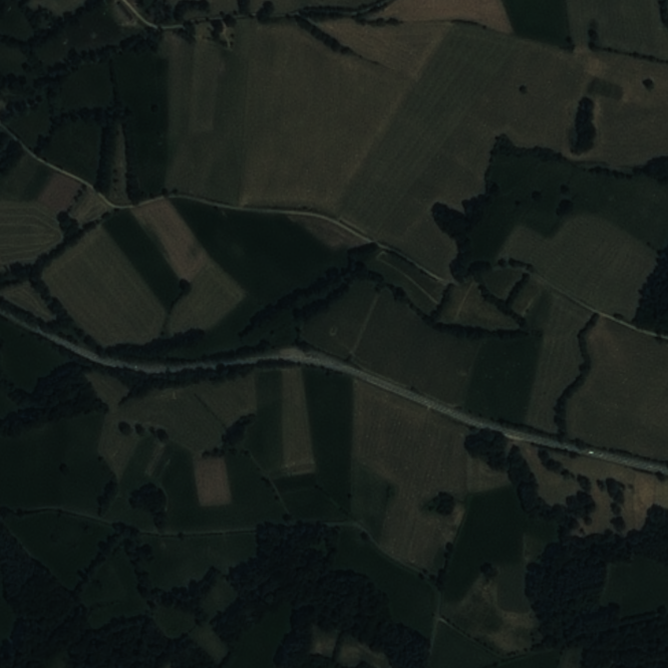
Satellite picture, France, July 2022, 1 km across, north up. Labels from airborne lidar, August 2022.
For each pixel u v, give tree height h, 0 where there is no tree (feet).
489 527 0
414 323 0
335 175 0
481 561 0
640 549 60
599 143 0
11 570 76
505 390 0
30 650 82
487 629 0
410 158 0
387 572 0
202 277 0
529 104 0
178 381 47
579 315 0
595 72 0
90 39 0
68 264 0
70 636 73
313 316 37
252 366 22
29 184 0
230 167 0
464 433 0
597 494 0
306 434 0
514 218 0
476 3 0
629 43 0
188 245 0
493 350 0
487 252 0
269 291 0
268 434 0
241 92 0
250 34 0
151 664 55
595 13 0
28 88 63
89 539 0
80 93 0
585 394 0
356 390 0
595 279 0
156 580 0
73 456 0
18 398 71
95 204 0
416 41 0
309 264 0
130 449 0
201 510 0
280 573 99
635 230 0
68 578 0
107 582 0
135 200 65
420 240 0
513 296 34
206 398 0
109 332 0
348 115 0
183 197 0
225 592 0
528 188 0
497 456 41
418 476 0
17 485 0
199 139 0
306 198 0
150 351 59
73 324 31
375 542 0
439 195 0
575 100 0
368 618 68
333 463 0
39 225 0
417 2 0
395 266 0
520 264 24
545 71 0
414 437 0
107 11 0
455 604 0
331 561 25
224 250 0
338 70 0
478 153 0
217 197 0
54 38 57
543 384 0
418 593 0
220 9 0
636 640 64
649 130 0
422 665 88
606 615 73
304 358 0
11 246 0
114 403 0
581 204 0
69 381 71
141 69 0
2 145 41
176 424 0
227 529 0
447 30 0
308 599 57
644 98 0
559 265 0
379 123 0
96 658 96
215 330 0
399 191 0
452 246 0
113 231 0
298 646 72
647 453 0
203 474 0
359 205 0
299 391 0
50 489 0
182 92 0
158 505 61
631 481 0
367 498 0
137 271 0
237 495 0
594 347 0
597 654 62
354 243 0
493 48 0
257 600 80
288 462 0
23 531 0
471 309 0
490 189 35
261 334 0
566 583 82
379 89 0
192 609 48
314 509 0
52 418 60
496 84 0
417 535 0
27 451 0
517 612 0
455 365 0
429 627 0
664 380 0
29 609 88
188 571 0
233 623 59
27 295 0
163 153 0
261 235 0
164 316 0
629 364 0
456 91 0
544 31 0
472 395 0
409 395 0
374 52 0
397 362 0
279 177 0
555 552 77
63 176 0
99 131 0
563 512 57
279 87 0
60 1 0
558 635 36
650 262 0
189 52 0
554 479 0
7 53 0
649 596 0
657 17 0
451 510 24
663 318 41
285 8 0
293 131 0
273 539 73
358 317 0
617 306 0
